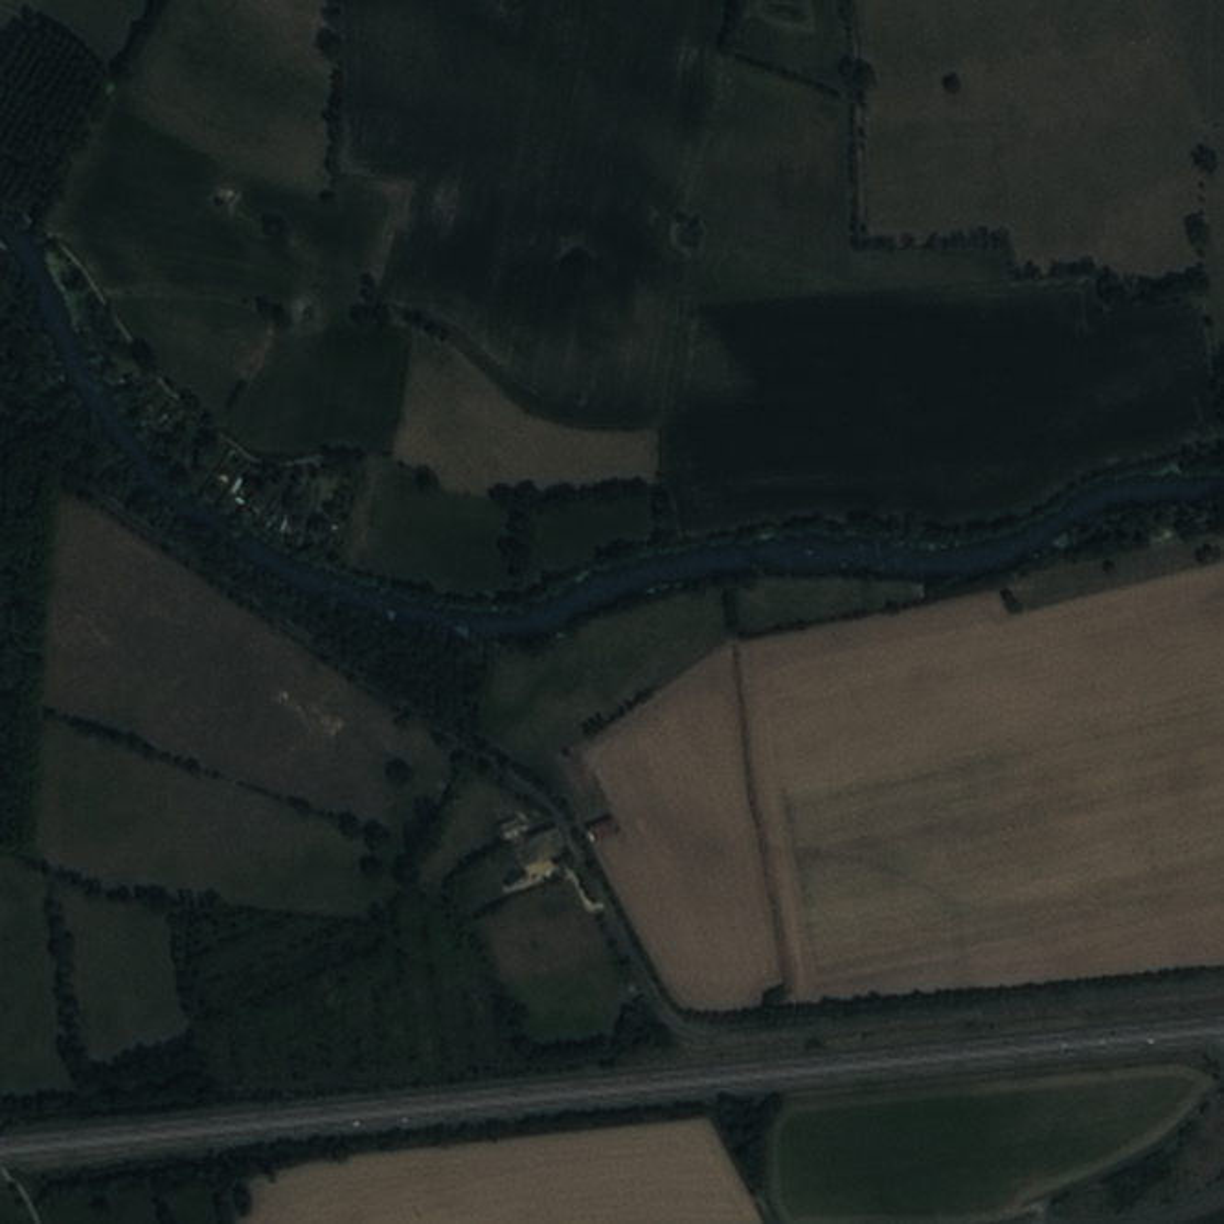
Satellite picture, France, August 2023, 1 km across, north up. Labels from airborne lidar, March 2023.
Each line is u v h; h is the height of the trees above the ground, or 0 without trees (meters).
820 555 0
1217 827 0
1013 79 0
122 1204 0
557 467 0
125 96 0
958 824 0
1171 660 0
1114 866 0
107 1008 0
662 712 0
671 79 0
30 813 25
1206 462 15
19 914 0
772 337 0
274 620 9
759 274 0
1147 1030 0
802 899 0
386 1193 0
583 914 0
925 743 0
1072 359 0
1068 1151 0
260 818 0
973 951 0
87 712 0
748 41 0
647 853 0
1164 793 0
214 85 0
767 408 0
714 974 0
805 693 0
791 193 0
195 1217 0
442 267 0
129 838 0
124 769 0
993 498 0
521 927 0
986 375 0
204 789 0
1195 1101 0
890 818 0
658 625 0
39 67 24
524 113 0
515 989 0
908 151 0
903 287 0
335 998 0
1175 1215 0
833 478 0
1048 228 0
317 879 0
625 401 0
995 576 8
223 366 0
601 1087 0
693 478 0
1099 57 0
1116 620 0
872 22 0
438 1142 8
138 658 0
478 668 17
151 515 10
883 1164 0
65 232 0
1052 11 0
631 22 0
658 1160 0
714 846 0
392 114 0
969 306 0
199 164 0
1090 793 0
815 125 0
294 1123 0
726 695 0
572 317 0
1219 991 0
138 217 0
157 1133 0
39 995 0
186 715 0
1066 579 0
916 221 0
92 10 0
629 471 0
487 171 0
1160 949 0
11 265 15
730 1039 0
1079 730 0
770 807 0
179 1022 0
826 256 0
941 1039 0
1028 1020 0
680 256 0
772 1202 0
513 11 0
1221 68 0
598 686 0
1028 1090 0
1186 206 0
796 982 0
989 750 0
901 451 0
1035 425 0
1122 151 0
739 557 0
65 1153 0
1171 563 0
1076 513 0
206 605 0
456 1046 0
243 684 0
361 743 0
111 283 0
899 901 0
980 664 0
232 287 0
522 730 0
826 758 0
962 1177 0
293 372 0
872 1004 9
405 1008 0
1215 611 0
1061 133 0
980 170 0
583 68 0
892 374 0
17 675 23
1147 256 0
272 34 0
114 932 0
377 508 0
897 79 0
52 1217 0
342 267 0
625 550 14
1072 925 0
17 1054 0
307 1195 0
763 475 0
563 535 0
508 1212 0
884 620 0
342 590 0
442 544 0
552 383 0
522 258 0
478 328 0
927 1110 0
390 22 0
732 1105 12
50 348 11
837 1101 0
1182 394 0
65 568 0
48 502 28
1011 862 0
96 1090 20
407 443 0
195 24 0
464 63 0
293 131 0
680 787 0
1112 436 0
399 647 17
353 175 0
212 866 0
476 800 0
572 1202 0
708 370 0
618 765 0
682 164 0
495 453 0
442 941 0
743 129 0
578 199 0
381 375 0
